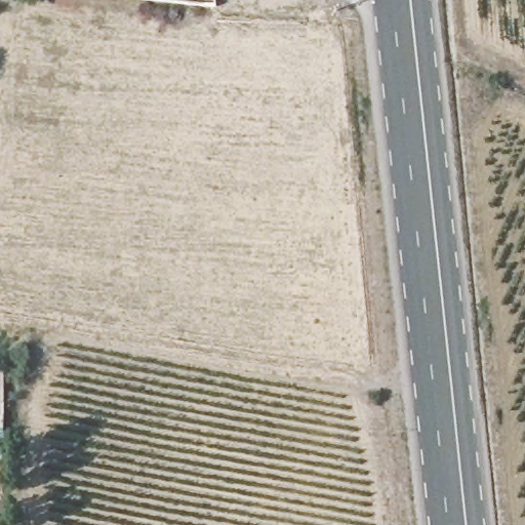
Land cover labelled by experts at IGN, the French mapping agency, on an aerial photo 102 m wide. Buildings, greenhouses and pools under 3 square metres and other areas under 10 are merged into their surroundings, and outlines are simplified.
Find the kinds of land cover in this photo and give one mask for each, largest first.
<instances>
[{"label":"plowed land","instance_id":"1","mask_svg":"<svg viewBox=\"0 0 525 525\"><path fill-rule=\"evenodd\" d=\"M351 18L359 21L361 12L353 2L347 0H226V4H215L209 10L203 6H176L137 0H0V328H2L35 326L37 330H45L53 326L55 332L45 334L41 338L43 345L78 342L98 349H111L131 355L156 357L174 363L240 373L246 377L291 381L308 388L342 392L349 398H369V392L383 390L379 365L369 359L367 347V312L363 295L359 228L355 209V183L359 180V176L353 166L355 152L353 125L347 111L349 98L342 47L351 43ZM466 64L484 68L492 74L509 72L513 76V88L504 90L494 105L488 98H478V92L488 88L490 82L463 78L461 68ZM461 158L466 176L468 224L472 242V271L476 283V299H472L474 330H480L486 412H496L494 400L502 392L515 390V383H521L525 388V357L521 353H515V347L509 342L513 328L523 318L511 314L509 306H504V295L509 289L507 283H502L504 273L492 260V244L498 238L502 221L496 219L494 207L490 205L496 187L494 183H490L494 170L486 164L490 144L486 142V137L500 133V127L492 123L498 115L507 123H521L525 119V55L519 62H513L494 51L492 47H480L470 43L466 49L459 47L457 62H453Z\"/></svg>","mask_w":525,"mask_h":525},{"label":"vineyard","instance_id":"2","mask_svg":"<svg viewBox=\"0 0 525 525\"><path fill-rule=\"evenodd\" d=\"M480 33H484L488 25H500V37L525 49V0H478ZM492 123L500 127V133L486 137V142L490 144L486 164L494 170L490 183H494L496 187L490 205L494 207L496 219L502 221L498 238L492 244V260L504 273L502 283H507L509 289L504 295V306H509L511 314L523 318L513 328L509 342L515 347V353H521L525 357V119L521 123H507L498 115ZM10 340V349H16L23 342H27V365L21 390H14L12 383L4 386V375L0 371V439L4 431L18 418L27 425L25 433L29 437L21 441L10 455L16 488L14 498H18V502L12 509V517L18 521V525H383V498L396 502V498L392 480H379L377 453L371 437L373 408L377 406L369 398H349L342 392L308 388L291 381L246 377L240 373L174 363L156 357L131 355L111 349H98L78 342L43 345L41 338L45 334L55 332L53 326L45 330H37L35 326L2 328Z\"/></svg>","mask_w":525,"mask_h":525},{"label":"impervious surface","instance_id":"3","mask_svg":"<svg viewBox=\"0 0 525 525\"><path fill-rule=\"evenodd\" d=\"M375 41L381 53L379 80L386 88L383 117H388L390 125L386 144L392 152L390 180L396 187L394 215L400 221V230L396 234V248L402 250L404 256V263L400 265L398 273L400 283L406 285V299L402 301V310L404 316L410 320V330L406 332V347L408 351H412L414 357V363L410 365V381L416 383L414 414L420 418L418 447L425 453L420 478L429 490L425 500V513L431 517V525H525V388L521 383H515V390L502 392L494 400L496 412H486L480 330H474L472 299L461 230V205L457 191L455 144L439 0H375Z\"/></svg>","mask_w":525,"mask_h":525},{"label":"herbaceous vegetation","instance_id":"4","mask_svg":"<svg viewBox=\"0 0 525 525\"><path fill-rule=\"evenodd\" d=\"M353 2L361 12L359 21L351 18V43L342 47L349 98V92L357 86L359 92L371 98V121L361 123L363 154L355 152L353 166L359 176V180L355 183V209L359 228L363 295L367 312V347L369 359L379 365L383 390H390L392 396L386 404L377 406L373 408L371 437L377 453L379 480H392L396 498V502L383 498V525H431V517L425 513V500L429 490L420 478L425 453L418 447L420 418L414 414L416 383L410 381V365L414 363V357L412 351H408L406 347V332L410 330V320L404 316L402 310V301L406 299V285L400 283L398 273L400 265L404 263V256L402 250L396 248V234L400 230V221L394 215L396 187L390 180L392 152L386 144L390 125L388 117H383L386 88L379 80L381 53L375 41V0H347ZM455 144L457 191L461 205V230L472 299H476V283L472 271V242L468 224L466 176L461 158L453 62H457L459 47L466 49L470 43L480 47H492L494 51L513 62H519L525 55V49L500 37V25H488L484 33H480L478 0H439Z\"/></svg>","mask_w":525,"mask_h":525},{"label":"deciduous trees","instance_id":"5","mask_svg":"<svg viewBox=\"0 0 525 525\"><path fill-rule=\"evenodd\" d=\"M347 111L353 125L355 152L363 154L361 123L371 121V98L359 92L357 86L349 92V98ZM27 365V342H23L16 349H10V340L2 328H0V371L4 375V386L12 383L14 390H21ZM392 396L390 390H383L369 392V398L377 406L386 404ZM27 425L18 418L4 431L0 439V525H18V521L12 517V509L18 502V498H14L16 488L10 455L21 441L29 437L25 433Z\"/></svg>","mask_w":525,"mask_h":525},{"label":"brushwood","instance_id":"6","mask_svg":"<svg viewBox=\"0 0 525 525\"><path fill-rule=\"evenodd\" d=\"M463 78L490 82L488 88L478 92V98H488L494 105L504 90L513 88V76L509 72L492 74L484 68L466 64L461 68Z\"/></svg>","mask_w":525,"mask_h":525},{"label":"building","instance_id":"7","mask_svg":"<svg viewBox=\"0 0 525 525\"><path fill-rule=\"evenodd\" d=\"M176 6H203L209 10L215 4H226V0H137Z\"/></svg>","mask_w":525,"mask_h":525}]
</instances>
